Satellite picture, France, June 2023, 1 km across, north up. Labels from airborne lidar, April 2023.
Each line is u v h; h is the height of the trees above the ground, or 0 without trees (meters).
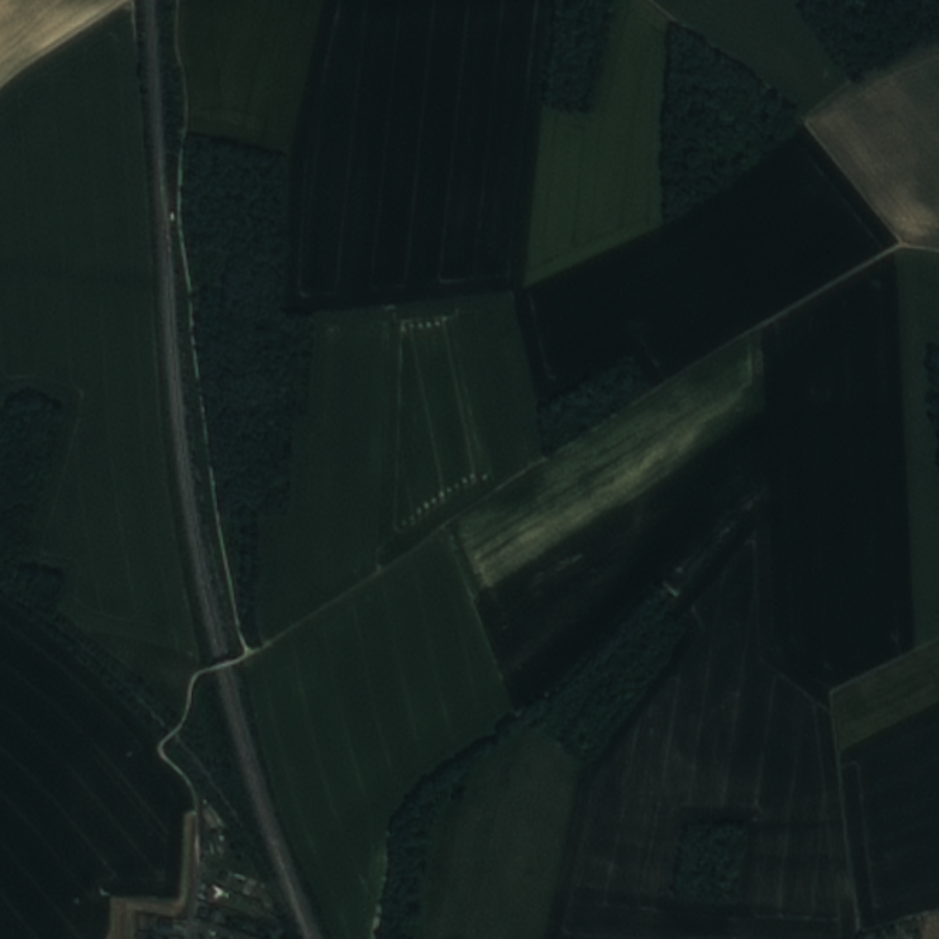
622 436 0
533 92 0
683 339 0
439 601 0
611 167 0
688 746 0
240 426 14
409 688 0
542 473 0
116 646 0
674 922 0
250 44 0
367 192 0
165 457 0
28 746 0
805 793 0
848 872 0
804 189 0
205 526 0
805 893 0
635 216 0
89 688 0
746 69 17
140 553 0
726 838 10
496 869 0
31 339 0
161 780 0
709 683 0
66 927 0
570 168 0
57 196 0
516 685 0
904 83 0
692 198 7
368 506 0
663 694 0
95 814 0
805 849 0
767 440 0
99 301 0
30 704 0
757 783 0
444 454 0
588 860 0
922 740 0
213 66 0
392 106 0
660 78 0
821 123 0
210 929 0
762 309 0
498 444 0
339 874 0
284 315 16
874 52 18
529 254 0
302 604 0
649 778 0
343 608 0
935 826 0
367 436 0
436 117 0
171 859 0
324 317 0
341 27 0
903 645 0
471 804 0
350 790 0
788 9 0
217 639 0
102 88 0
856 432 0
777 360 0
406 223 0
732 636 0
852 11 24
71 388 0
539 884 0
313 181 0
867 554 0
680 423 0
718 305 0
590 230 0
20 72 0
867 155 0
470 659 0
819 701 0
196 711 7
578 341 0
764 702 0
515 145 0
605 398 11
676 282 0
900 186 0
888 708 0
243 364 16
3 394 0
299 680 0
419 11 0
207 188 10
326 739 0
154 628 0
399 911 9
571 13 19
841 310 0
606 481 0
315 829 0
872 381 0
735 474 0
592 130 0
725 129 19
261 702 0
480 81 0
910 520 0
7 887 0
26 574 10
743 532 0
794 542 0
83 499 0
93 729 0
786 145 0
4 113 0
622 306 0
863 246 0
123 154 0
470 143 0
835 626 0
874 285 0
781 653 0
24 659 0
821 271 0
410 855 16
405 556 0
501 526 0
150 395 0
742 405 0
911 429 0
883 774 0
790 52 0
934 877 0
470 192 0
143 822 0
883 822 0
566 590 0
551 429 7
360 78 0
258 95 0
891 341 0
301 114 0
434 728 0
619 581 0
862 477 0
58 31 0
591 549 0
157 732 7
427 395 0
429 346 0
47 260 0
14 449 22
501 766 0
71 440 0
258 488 15
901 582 0
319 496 0
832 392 0
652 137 0
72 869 0
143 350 0
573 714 7
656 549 0
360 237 0
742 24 0
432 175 0
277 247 18
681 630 7
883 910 0
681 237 0
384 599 0
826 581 0
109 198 0
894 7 23
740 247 0
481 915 0
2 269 0
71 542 0
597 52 19
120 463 0
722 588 0
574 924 0
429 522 0
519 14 0
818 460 0
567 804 0
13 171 0
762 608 0
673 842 0
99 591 0
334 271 0
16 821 0
